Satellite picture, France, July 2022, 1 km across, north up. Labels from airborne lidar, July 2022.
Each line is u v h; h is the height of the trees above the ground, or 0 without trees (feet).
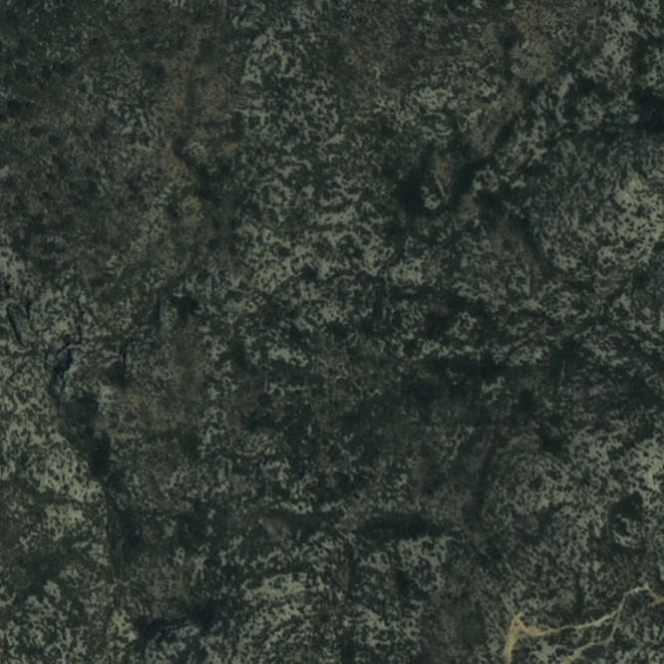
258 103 0
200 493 0
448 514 0
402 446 0
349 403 0
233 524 0
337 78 0
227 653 0
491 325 18
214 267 0
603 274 18
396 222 19
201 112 0
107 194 0
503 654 0
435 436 0
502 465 0
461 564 0
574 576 0
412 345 20
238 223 19
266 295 20
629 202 0
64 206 0
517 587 0
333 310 0
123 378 21
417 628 0
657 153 0
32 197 0
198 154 0
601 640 0
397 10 0
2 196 0
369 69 0
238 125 20
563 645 0
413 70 0
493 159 21
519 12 0
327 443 21
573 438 0
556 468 0
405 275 0
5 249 0
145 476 0
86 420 20
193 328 0
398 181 22
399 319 19
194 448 25
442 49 0
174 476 0
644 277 22
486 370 26
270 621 0
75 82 0
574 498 0
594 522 0
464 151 18
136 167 0
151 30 0
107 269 0
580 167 0
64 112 0
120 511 22
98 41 28
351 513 0
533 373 0
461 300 21
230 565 21
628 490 0
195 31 0
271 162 0
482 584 0
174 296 27
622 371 26
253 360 0
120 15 0
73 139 0
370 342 0
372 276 21
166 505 0
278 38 0
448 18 0
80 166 0
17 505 0
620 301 0
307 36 0
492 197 21
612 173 0
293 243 19
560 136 18
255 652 0
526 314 23
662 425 0
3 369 0
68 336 21
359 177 0
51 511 0
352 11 0
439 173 0
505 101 0
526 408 21
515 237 0
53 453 0
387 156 20
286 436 18
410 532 25
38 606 0
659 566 0
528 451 0
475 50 0
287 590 0
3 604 0
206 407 0
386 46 0
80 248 0
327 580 21
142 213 0
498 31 0
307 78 0
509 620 0
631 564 0
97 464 28
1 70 0
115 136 0
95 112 0
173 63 0
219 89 0
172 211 23
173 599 21
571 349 24
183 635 0
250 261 0
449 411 0
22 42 24
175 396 0
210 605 24
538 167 19
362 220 22
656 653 0
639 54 22
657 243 20
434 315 19
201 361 0
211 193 27
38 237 0
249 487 0
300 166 0
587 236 0
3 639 0
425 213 19
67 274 0
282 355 0
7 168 0
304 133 0
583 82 26
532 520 0
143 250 0
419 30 0
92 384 0
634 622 0
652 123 23
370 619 0
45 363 20
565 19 0
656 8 0
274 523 0
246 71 0
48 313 38
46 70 17
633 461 0
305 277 18
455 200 18
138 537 20
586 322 28
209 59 0
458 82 0
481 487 21
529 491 0
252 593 0
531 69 0
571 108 26
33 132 20
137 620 24
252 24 0
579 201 0
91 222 0
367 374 0
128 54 0
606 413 0
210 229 0
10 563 0
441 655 0
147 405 0
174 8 0
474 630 0
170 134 0
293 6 0
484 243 0
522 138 0
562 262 0
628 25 0
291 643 0
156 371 0
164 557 0
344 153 0
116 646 19
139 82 0
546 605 0
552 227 0
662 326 0
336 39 0
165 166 0
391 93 0
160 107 0
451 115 19
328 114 0
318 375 0
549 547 0
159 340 0
